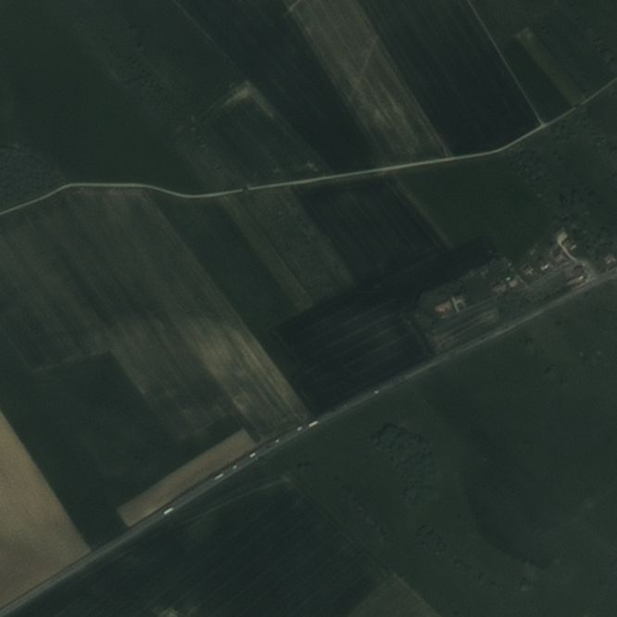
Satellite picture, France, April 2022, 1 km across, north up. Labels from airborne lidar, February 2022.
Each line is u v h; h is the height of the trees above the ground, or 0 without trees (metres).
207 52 0
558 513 0
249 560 0
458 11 0
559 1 0
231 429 0
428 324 0
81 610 0
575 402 0
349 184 0
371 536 0
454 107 0
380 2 0
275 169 0
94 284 0
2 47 0
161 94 7
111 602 0
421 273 0
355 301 0
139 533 0
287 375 0
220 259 0
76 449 0
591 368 0
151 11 0
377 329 0
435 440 0
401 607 0
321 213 0
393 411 0
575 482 0
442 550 8
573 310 0
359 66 0
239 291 0
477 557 0
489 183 0
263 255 0
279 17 0
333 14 0
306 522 0
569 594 0
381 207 0
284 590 0
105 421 0
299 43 0
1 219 0
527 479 0
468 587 0
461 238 0
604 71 0
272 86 0
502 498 0
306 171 0
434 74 0
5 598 0
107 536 0
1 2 0
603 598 0
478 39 0
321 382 0
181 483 0
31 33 0
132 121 0
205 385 0
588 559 0
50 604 0
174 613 0
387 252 0
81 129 0
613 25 0
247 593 0
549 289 0
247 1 0
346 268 0
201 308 0
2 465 0
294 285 0
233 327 0
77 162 0
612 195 0
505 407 0
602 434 0
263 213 0
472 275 0
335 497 0
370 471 0
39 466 0
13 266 0
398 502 0
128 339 0
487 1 0
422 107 0
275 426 0
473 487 0
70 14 0
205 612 0
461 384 0
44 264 0
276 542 0
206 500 0
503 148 0
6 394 0
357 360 0
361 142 0
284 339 0
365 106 0
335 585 0
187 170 0
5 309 0
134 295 0
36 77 0
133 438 0
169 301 0
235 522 0
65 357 0
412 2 0
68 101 0
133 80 7
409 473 17
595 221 0
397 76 0
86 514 0
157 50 0
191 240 0
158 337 0
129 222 0
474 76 0
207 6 0
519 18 0
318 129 0
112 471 0
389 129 0
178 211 0
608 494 0
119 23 0
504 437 0
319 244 0
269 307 0
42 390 0
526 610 0
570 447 0
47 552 0
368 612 0
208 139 0
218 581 0
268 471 0
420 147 0
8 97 0
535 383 0
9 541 0
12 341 0
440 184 0
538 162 7
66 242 0
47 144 0
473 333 0
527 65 0
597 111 0
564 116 0
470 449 0
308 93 0
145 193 0
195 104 0
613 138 0
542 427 0
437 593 0
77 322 0
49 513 0
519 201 0
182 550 0
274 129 0
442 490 0
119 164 0
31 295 0
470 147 0
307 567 0
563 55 0
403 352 0
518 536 0
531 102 0
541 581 0
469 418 0
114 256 0
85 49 0
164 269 0
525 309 13
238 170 0
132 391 0
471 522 0
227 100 0
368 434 0
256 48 0
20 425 0
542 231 0
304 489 0
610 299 0
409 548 0
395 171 0
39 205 0
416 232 0
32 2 0
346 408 0
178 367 0
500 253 0
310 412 0
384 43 0
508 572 0
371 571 0
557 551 0
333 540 0
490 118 0
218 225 0
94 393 0
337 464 0
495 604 0
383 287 0
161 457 0
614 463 0
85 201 0
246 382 0
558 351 0
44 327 0
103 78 0
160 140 0
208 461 0
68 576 0
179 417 0
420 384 0
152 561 0
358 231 0
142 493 0
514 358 0
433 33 0
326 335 0
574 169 0
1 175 14
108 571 0
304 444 0
